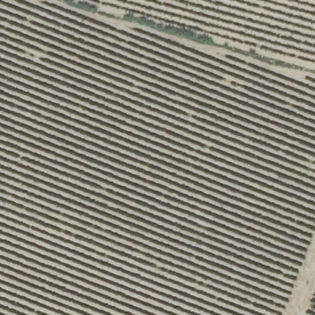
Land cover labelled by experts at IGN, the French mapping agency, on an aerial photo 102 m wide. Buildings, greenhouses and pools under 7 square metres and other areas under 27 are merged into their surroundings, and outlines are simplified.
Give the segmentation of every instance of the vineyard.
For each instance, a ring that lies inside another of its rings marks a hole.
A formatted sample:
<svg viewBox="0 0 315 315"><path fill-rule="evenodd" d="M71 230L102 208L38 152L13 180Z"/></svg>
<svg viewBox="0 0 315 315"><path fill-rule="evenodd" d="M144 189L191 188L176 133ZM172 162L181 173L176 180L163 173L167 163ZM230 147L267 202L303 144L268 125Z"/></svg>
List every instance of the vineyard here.
<svg viewBox="0 0 315 315"><path fill-rule="evenodd" d="M289 301L285 294L293 292L299 269L309 249L309 237L313 237L315 231L315 0L0 0L0 315L282 315Z"/></svg>

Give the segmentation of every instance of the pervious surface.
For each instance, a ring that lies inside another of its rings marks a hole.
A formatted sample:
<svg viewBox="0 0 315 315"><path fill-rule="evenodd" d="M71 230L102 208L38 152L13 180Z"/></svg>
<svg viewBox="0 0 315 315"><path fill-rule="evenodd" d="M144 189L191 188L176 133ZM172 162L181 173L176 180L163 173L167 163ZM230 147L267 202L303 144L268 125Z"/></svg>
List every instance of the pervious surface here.
<svg viewBox="0 0 315 315"><path fill-rule="evenodd" d="M313 237L309 237L309 249L299 269L293 292L285 294L289 301L282 315L315 315L315 231Z"/></svg>

